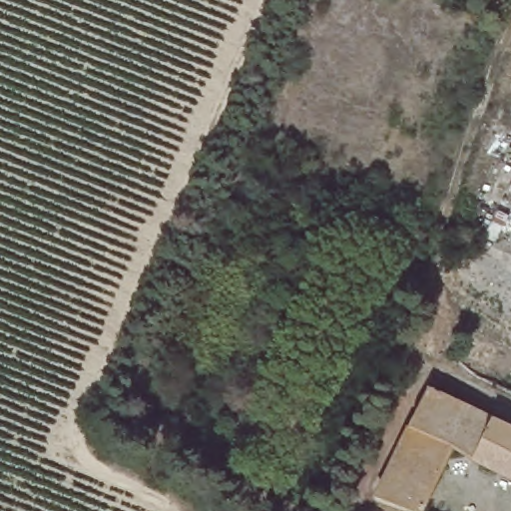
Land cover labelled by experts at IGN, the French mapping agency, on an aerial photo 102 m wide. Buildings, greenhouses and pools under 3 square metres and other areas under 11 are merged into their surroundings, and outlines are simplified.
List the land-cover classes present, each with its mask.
<instances>
[{"label":"deciduous trees","instance_id":"1","mask_svg":"<svg viewBox=\"0 0 511 511\"><path fill-rule=\"evenodd\" d=\"M441 6V10L469 14L471 24H465L459 44L453 46L451 54L443 60V70H437L435 98L433 104H429L423 110L421 122H413L409 126L407 118L401 114V104H389V126L397 128L403 136L425 138L429 142L425 156L429 174L427 180L419 186L417 182L409 180L395 182L389 166L381 160L363 166L357 158L345 154V144L331 140L325 134L309 140L305 132L297 130L295 126H275L273 122L275 94L281 92L285 82H297L311 68V46L297 36V32L309 22H319V18H323L329 12L331 0H263L261 14L252 22V30L248 32L244 48V66L234 70L232 74L226 110L220 116L218 124L210 130V134L202 136V148L194 156L188 186L178 194L170 220L162 224L160 238L154 246L150 263L144 267L140 275L138 289L134 291L130 301V311L116 337V347L108 355L102 377L96 381L102 387V391L108 393V405L96 413L84 411L78 405L76 423L84 433L94 457L106 465L130 473L132 477H138L150 489L176 497L180 501L182 511H383V507H379L373 501L355 503L359 483L365 477L363 469L365 465H373L377 461L385 429L395 415L399 399L411 385L417 379V373L423 365L421 351L415 349V345L419 343V337L423 333L431 329L439 307L443 281L439 273L469 267L473 259L481 257L487 250V226L479 214L481 210H485L487 202L477 198V194H473L469 188H459L451 216H443L441 202L449 186L455 148L461 142L463 130L473 108L481 102L485 94V66L489 54L493 52L495 40L505 30L511 34V0H435ZM479 327V315L469 309H463L459 313L457 323L453 325V341L445 349L449 361H461V357L469 355L473 347V333ZM477 377L487 379L493 385L511 389V373L507 377H499L483 369L475 371Z\"/></svg>","mask_w":511,"mask_h":511},{"label":"vineyard","instance_id":"2","mask_svg":"<svg viewBox=\"0 0 511 511\"><path fill-rule=\"evenodd\" d=\"M242 0H0V511H152L136 503L118 501L114 495L104 493L102 479L66 467L54 459H48L46 437L50 425L56 423L58 411H62V407H66L68 403L70 389L76 387V381L80 377L84 355L76 349L90 351L94 343H98L106 315L112 307V301H104L98 295L88 293L86 287L114 297L116 293L106 289V285L118 287V283L100 277V271L122 277L120 271H112V265L126 271V265L108 259L104 252L130 261L132 254L136 252L138 236L122 232L116 226L136 232L138 228L122 220L110 218L106 210L140 224H144L154 214L148 208H138V204H132L130 198L150 206L158 204L170 168L174 164V156L180 150L182 142V136H178L176 132H184L194 106L198 104L196 100L202 94L198 88H192V82H198V86H206L204 80H198V76L210 78L216 58L214 52L220 40L224 38V30L230 26V22H234ZM108 393L102 391V387L96 381L78 399V405L84 411L96 413L108 405Z\"/></svg>","mask_w":511,"mask_h":511},{"label":"herbaceous vegetation","instance_id":"3","mask_svg":"<svg viewBox=\"0 0 511 511\"><path fill-rule=\"evenodd\" d=\"M465 24H471L469 14L441 10V6L435 0H331L329 12L323 18H319V22H309L297 32V36L311 46V68L297 82H285L281 92L275 94L273 122L275 126H295L297 130L305 132L309 140L325 134L331 140L345 144V154L357 158L363 166L381 160L389 166L395 182L409 180L417 182L419 186L427 180L429 174L425 156L429 142L425 138L403 136L397 128L389 126V104H401V114L407 118L409 126L413 122H421L423 110L429 104H433L435 98L437 70H443V60L451 54L453 46L459 44ZM459 188H469L473 194H477V198L487 202L485 210H481L479 214L487 226V250L481 257L473 259L469 267L439 273L443 281L439 307L431 329L423 333L419 337V343L415 345V349L421 351L423 365L417 373V379L411 385L419 389L427 381L429 373L433 369H439L489 397L511 395V389L493 385L487 379L477 377L475 371L483 369L499 377H507L511 373V34L505 30L495 40L493 52L489 54L485 66V94L481 102L473 108L463 130L461 142L455 148L449 186L441 202L443 216H451ZM463 309H469L479 315V327L473 333V347L469 355L461 357V361H449L445 349L453 341V325L457 323L459 313Z\"/></svg>","mask_w":511,"mask_h":511},{"label":"plowed land","instance_id":"4","mask_svg":"<svg viewBox=\"0 0 511 511\"><path fill-rule=\"evenodd\" d=\"M263 0H242L234 22H230V26L224 30V38L220 40L214 52L216 58L210 78L198 76V80H204L206 86H198V82H192V88H198L202 94L196 100L198 104L194 106L184 132H176L178 136H182V142L180 150L174 156V164L170 168L158 204L150 206L130 198L132 204H138V208H148L154 214L144 224H140L106 210L110 218L122 220L138 228L136 232L116 226L122 232L138 236L136 252L132 254L130 261L104 252L108 259L126 265V271L112 265V271H120L122 277L100 271V277L118 283V287L106 285V289L116 293L114 297L86 287L88 293L98 295L104 301H112V307L106 315L98 343H94L90 351L76 349L84 355L80 377L76 381V387L70 389L68 403L66 407H62V411H58L56 423L50 425L46 437L48 459H54L66 467L102 479L104 493L114 495L118 501L136 503L152 511H182L180 501L176 497L150 489L138 477H132L130 473L106 465L94 457L84 433L76 423L78 405V399L96 381L102 377L108 355L116 347V337L130 311V301L134 291L138 289L140 275L144 267L150 263L154 246L160 238L162 224L170 220L178 194L188 186L194 156L202 148V136L210 134V130L218 124L220 116L226 110L232 74L234 70L244 66V48L248 32L252 30V22L261 14Z\"/></svg>","mask_w":511,"mask_h":511},{"label":"building","instance_id":"5","mask_svg":"<svg viewBox=\"0 0 511 511\"><path fill-rule=\"evenodd\" d=\"M481 439H487L511 451V421L487 415L485 411L435 387L427 389L417 413L413 415L405 435L399 441V447L385 475L373 481V501L379 507H383V511H425L427 503L435 499L437 489L447 491L449 485L455 481V475L451 471V451H459V459H467L475 455Z\"/></svg>","mask_w":511,"mask_h":511},{"label":"pervious surface","instance_id":"6","mask_svg":"<svg viewBox=\"0 0 511 511\"><path fill-rule=\"evenodd\" d=\"M435 387L485 411L487 415L511 421V395L489 397L439 369H433L429 373L427 381L419 389L411 385L399 399L395 415L385 429L377 461L373 465H365L363 469L365 477L359 483L355 503L373 501V481L385 475L399 447V441L405 435L413 415L417 413L427 389ZM459 451H451V471L455 475V481L449 485L447 491L437 489L435 499L427 503L425 511H511V451L487 439H481L475 455L467 459H459Z\"/></svg>","mask_w":511,"mask_h":511}]
</instances>
